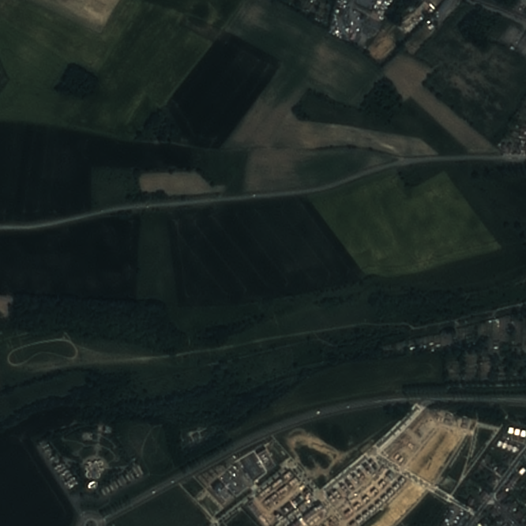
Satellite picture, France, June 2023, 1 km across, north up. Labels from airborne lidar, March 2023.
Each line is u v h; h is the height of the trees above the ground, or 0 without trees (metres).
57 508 0
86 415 9
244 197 0
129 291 0
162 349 8
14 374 0
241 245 0
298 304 0
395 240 0
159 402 13
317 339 0
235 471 0
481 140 0
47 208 0
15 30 0
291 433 0
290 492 0
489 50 0
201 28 0
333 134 0
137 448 0
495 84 0
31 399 0
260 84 0
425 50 0
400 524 0
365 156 0
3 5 0
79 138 0
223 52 0
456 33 0
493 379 10
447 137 0
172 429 8
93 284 0
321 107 0
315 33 0
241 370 0
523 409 0
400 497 0
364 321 0
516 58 0
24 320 9
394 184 0
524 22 0
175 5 0
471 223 0
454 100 0
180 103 0
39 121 0
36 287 0
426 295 7
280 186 0
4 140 0
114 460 0
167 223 0
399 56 0
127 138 0
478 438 0
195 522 0
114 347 0
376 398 0
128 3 0
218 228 0
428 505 0
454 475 0
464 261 0
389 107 7
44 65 0
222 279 0
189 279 0
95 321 9
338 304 8
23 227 0
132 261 0
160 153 0
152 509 0
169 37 0
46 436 7
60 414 0
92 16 0
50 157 0
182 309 0
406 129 0
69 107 0
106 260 0
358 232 0
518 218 0
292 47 0
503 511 0
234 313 0
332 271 0
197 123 0
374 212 0
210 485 0
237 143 0
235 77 0
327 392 0
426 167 0
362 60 0
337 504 0
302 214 0
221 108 0
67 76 14
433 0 0
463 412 6
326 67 0
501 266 0
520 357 11
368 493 0
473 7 0
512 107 0
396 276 0
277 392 8
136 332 11
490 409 7
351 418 0
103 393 14
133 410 11
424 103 0
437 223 0
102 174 0
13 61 0
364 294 0
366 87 0
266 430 0
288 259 0
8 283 0
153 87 0
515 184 0
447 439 0
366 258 0
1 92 0
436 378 0
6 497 0
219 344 7
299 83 0
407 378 0
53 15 0
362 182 0
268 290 0
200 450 6
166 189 0
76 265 0
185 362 0
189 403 14
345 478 0
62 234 0
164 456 0
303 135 0
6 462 0
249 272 0
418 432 0
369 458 0
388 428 0
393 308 6
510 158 0
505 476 0
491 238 0
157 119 11
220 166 0
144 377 0
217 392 13
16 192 0
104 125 0
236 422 6
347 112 0
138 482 0
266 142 0
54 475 0
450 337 0
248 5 0
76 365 0
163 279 0
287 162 0
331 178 0
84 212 0
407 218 0
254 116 0
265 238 0
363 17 0
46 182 0
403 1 16
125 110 0
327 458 0
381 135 0
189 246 0
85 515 0
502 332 0
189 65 0
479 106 0
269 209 0
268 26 0
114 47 0
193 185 0
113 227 0
